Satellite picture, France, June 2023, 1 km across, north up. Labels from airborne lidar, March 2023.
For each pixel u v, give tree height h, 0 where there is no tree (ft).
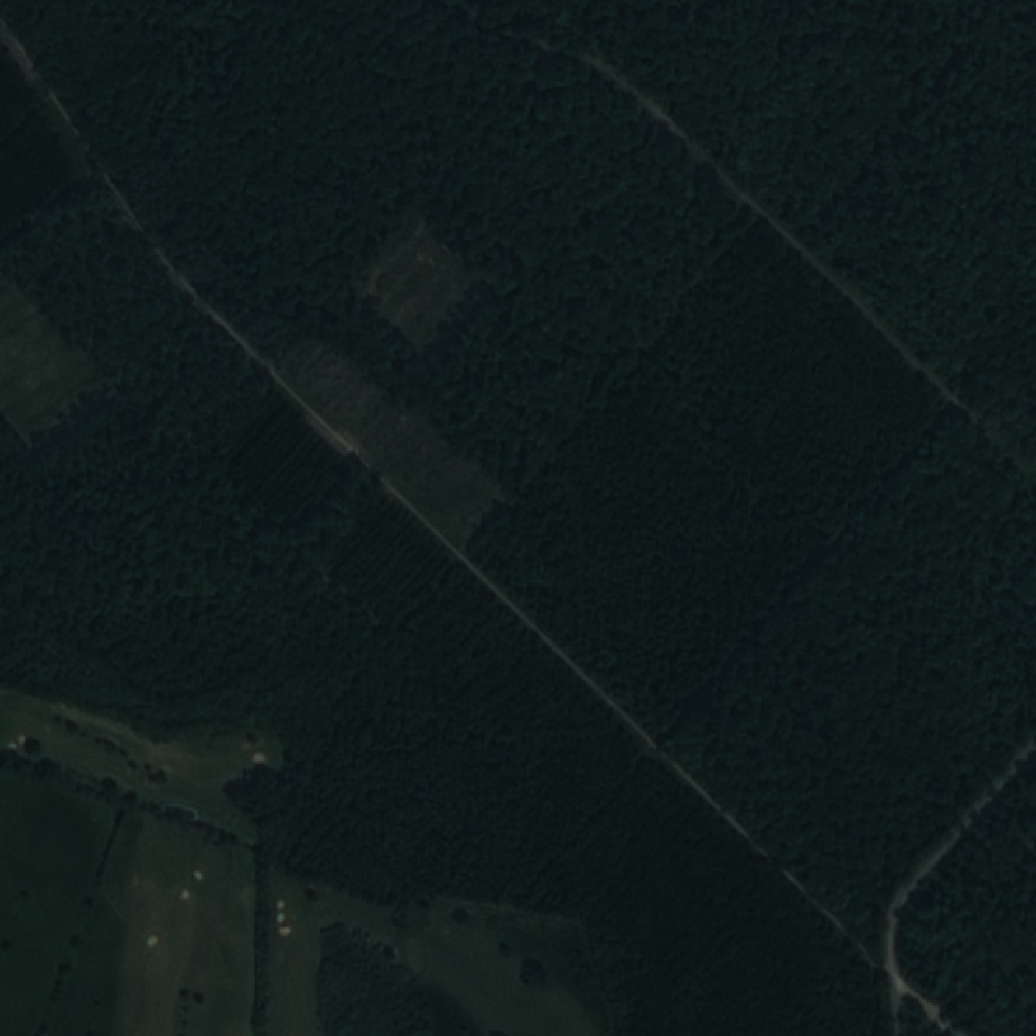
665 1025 40
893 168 90
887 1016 43
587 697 40
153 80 82
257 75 88
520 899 39
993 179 85
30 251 94
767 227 49
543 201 87
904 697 83
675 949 43
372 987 20
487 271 83
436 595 34
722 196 87
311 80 96
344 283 74
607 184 86
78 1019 0
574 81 83
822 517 37
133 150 93
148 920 0
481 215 83
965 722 77
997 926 81
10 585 82
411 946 0
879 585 70
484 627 35
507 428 75
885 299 80
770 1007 39
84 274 97
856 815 89
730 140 84
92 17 83
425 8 99
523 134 73
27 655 18
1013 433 63
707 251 78
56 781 30
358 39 88
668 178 85
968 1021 68
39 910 0
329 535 65
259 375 94
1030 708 46
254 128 82
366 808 42
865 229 83
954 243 87
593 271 85
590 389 81
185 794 0
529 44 69
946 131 104
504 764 47
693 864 41
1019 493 69
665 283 78
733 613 45
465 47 91
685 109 93
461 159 96
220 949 0
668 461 48
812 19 83
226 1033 0
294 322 86
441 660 41
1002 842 93
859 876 80
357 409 0
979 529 82
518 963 0
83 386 0
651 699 48
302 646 39
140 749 0
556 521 56
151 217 70
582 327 76
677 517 50
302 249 85
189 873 0
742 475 49
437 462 0
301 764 85
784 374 44
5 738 0
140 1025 0
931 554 66
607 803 34
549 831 38
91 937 0
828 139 90
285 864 40
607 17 73
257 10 89
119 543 83
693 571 54
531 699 41
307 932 0
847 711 95
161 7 91
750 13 90
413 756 50
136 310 98
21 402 0
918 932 76
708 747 88
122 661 43
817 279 45
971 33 75
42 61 86
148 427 81
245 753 0
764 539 45
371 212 85
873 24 92
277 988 0
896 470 74
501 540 49
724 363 43
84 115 103
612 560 54
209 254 90
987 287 69
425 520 0
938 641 73
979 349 61
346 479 89
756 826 76
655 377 47
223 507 64
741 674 82
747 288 44
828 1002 52
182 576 76
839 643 91
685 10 86
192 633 36
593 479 50
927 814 92
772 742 100
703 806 33
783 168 80
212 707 20
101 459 80
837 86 84
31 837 0
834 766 89
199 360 101
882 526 79
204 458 74
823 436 39
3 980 0
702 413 48
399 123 88
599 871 38
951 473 83
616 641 55
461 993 0
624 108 78
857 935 61
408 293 0
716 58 96
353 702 40
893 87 93
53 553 84
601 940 41
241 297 63
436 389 87
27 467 84
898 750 87
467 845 45
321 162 90
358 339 81
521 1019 0
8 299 0
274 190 92
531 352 93
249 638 49
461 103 96
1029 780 87
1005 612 83
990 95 87
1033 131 92
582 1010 0
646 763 33
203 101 86
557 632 26
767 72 75
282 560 59
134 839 0
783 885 42
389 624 33
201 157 90
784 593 67
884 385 49
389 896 44
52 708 0
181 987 0
